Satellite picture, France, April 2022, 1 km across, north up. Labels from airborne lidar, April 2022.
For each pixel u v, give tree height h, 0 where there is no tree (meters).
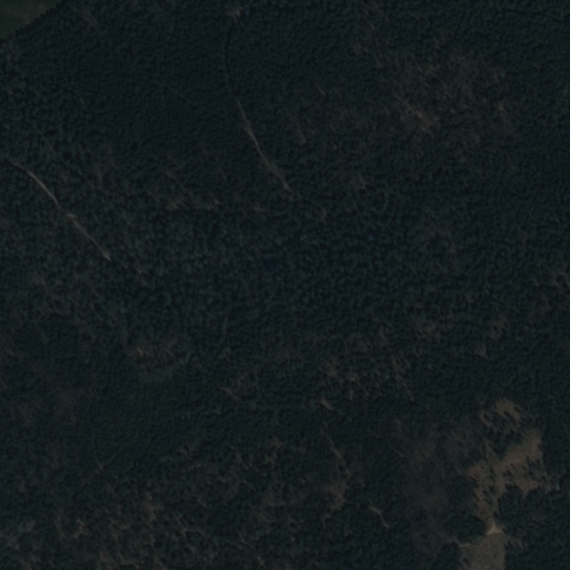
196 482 17
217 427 21
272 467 12
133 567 13
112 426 19
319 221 32
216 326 6
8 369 16
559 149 13
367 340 17
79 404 21
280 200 12
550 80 17
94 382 19
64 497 21
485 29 24
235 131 27
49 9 0
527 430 24
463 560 15
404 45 25
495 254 27
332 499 17
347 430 19
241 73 25
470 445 19
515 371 22
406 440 20
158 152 30
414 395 12
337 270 32
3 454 20
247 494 16
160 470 8
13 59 29
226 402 8
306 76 24
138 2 27
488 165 24
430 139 24
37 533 19
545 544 22
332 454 19
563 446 21
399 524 18
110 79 22
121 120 23
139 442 14
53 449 20
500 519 20
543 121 23
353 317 14
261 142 27
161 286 29
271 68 28
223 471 25
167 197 26
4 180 22
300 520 12
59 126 20
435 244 7
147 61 31
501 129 21
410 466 20
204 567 12
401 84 25
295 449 28
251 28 26
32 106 31
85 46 23
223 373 12
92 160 30
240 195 30
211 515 17
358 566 10
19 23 0
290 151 27
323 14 27
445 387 19
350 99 21
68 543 18
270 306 21
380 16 24
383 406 18
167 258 30
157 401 13
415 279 32
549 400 22
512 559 17
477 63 22
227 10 15
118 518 21
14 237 25
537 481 23
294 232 31
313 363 12
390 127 26
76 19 28
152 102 24
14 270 26
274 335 9
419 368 19
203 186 30
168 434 16
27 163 20
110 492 16
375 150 26
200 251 37
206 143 26
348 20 24
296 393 16
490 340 15
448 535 23
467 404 25
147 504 20
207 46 26
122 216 25
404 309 19
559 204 22
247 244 30
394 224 28
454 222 25
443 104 21
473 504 22
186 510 20
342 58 24
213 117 14
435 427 23
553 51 21
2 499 21
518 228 26
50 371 20
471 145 22
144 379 18
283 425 18
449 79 29
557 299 6
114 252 31
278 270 33
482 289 14
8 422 19
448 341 20
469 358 21
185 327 21
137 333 24
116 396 18
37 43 29
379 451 11
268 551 25
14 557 24
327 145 24
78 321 19
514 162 21
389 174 22
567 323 19
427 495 22
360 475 14
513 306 16
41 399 22
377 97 26
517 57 24
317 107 23
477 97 19
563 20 20
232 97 25
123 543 21
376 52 25
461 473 18
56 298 18
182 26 25
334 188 30
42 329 17
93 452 19
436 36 22
